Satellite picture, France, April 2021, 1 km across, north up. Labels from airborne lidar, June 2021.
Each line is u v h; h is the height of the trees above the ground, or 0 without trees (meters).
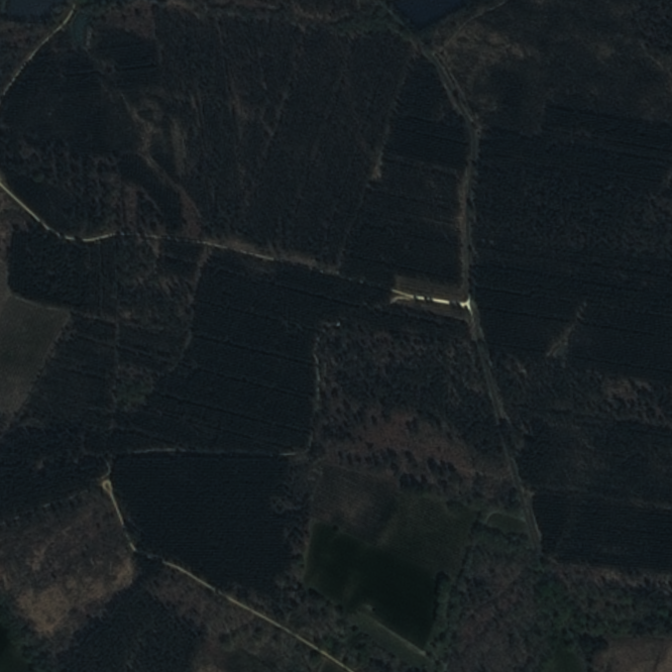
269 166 12
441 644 9
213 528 11
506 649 11
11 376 0
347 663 13
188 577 8
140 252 21
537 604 14
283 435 11
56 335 0
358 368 18
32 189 9
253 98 11
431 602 0
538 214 15
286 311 10
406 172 11
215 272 13
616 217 15
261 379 10
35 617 0
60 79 9
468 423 20
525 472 15
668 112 5
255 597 12
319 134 12
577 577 15
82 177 15
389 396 22
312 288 11
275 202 12
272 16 11
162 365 8
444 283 12
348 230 13
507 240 10
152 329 10
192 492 13
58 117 7
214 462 11
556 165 10
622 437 13
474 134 0
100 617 8
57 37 8
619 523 6
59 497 15
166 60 12
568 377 15
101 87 10
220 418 12
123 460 13
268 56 11
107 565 0
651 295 13
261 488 10
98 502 11
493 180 15
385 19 11
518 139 12
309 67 13
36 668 21
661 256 20
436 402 21
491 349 11
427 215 10
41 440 13
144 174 8
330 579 0
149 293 18
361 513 0
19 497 15
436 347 21
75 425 6
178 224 8
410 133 11
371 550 0
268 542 11
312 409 11
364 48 14
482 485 16
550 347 10
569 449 15
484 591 17
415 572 0
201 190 11
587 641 14
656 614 11
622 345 12
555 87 7
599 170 11
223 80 12
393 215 12
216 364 10
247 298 11
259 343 12
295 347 12
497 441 20
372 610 0
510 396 13
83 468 16
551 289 15
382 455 10
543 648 11
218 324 10
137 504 9
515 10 5
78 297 10
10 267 8
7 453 14
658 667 0
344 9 15
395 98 11
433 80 11
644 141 10
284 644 14
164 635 15
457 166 12
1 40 11
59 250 13
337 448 12
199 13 15
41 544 8
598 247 12
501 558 16
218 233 11
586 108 7
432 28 14
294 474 8
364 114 12
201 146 12
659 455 13
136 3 13
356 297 11
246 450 10
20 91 11
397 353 15
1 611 22
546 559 10
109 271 9
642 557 8
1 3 19
